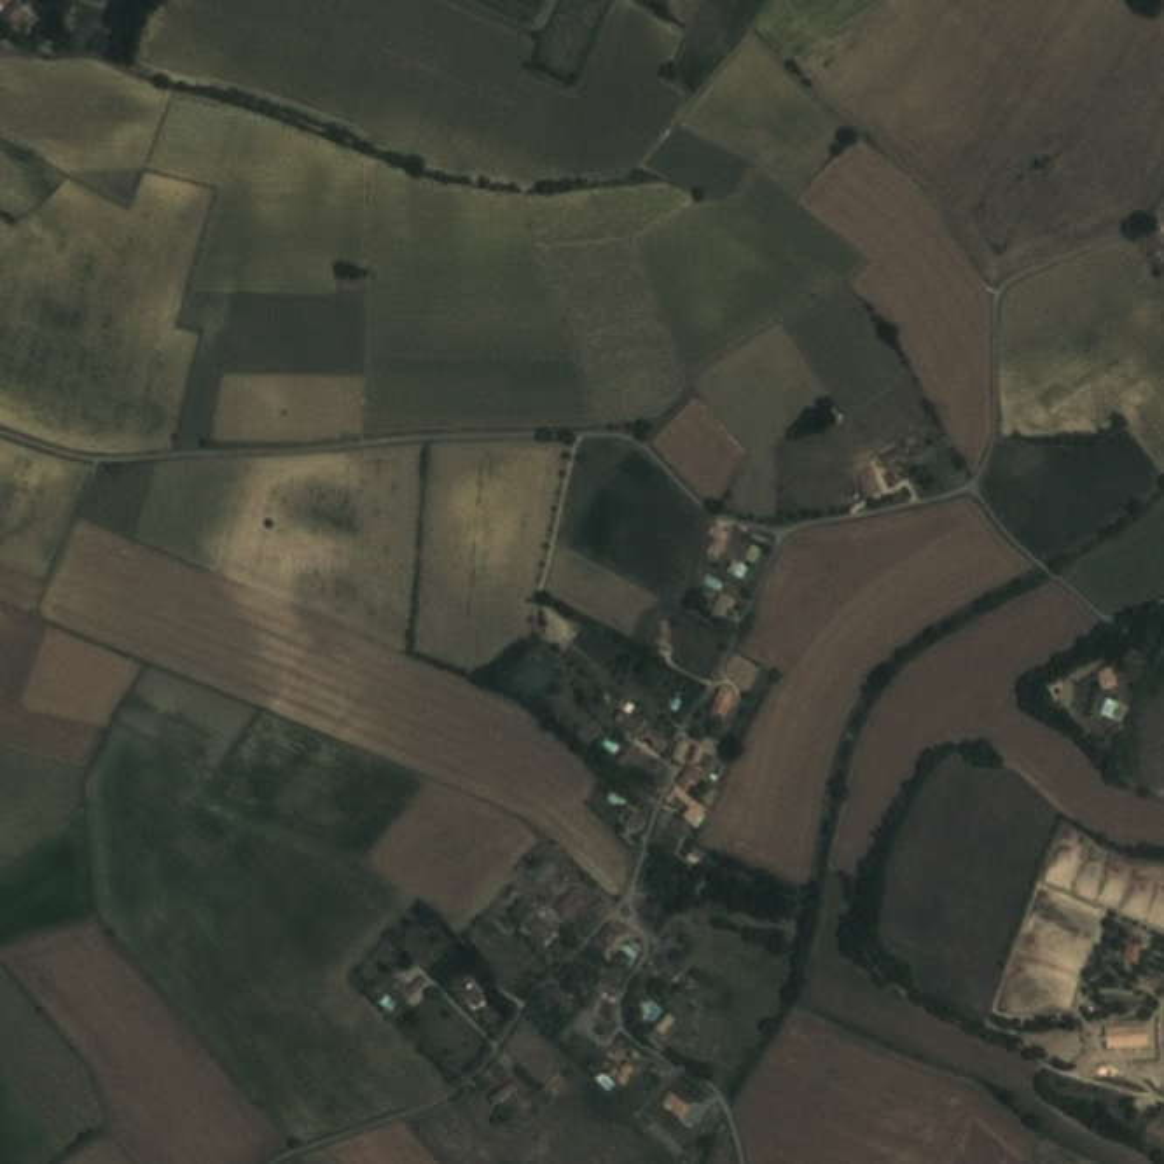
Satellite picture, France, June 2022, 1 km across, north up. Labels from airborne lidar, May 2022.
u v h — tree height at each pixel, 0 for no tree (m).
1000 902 0
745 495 0
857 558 0
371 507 0
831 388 0
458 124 0
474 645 0
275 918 0
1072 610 0
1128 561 0
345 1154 0
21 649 0
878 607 0
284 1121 0
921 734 0
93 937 0
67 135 0
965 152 0
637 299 0
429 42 0
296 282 0
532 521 0
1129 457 0
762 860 0
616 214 0
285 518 0
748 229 0
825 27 0
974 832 0
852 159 0
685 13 0
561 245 0
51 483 0
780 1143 0
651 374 0
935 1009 11
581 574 0
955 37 0
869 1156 0
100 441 0
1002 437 0
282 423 0
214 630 0
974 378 0
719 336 0
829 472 0
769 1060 0
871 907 11
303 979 0
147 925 0
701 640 0
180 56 0
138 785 0
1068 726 9
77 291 0
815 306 0
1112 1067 0
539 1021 8
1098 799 0
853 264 0
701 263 0
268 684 0
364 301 0
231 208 0
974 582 0
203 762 0
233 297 0
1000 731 0
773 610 0
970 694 0
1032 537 0
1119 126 0
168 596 0
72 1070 0
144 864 0
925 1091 0
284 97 0
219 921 0
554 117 0
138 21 18
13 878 0
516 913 10
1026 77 0
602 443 0
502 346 0
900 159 0
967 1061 0
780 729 0
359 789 0
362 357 0
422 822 0
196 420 0
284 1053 0
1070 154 0
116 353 0
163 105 0
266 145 0
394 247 0
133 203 0
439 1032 0
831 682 0
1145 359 0
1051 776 0
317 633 0
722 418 0
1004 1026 9
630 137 0
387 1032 0
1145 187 0
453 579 0
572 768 0
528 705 11
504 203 0
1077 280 0
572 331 0
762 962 0
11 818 0
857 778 0
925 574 0
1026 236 0
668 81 12
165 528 0
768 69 0
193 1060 0
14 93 0
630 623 0
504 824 0
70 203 0
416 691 0
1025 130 0
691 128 0
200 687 0
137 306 0
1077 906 0
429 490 0
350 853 0
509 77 0
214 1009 0
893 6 0
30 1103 0
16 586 0
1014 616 0
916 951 0
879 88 0
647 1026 7
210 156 0
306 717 0
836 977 0
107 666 0
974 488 0
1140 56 0
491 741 0
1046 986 0
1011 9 0
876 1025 0
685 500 0
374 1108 0
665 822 0
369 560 0
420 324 0
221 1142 0
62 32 15
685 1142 0
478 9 0
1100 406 0
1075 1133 0
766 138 0
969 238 0
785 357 0
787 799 0
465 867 0
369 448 0
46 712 0
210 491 0
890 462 0
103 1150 0
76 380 0
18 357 0
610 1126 0
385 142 0
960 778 0
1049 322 0
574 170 0
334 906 0
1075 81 0
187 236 0
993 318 0
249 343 0
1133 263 0
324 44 0
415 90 0
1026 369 0
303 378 0
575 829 0
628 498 0
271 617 0
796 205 0
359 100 0
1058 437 13
